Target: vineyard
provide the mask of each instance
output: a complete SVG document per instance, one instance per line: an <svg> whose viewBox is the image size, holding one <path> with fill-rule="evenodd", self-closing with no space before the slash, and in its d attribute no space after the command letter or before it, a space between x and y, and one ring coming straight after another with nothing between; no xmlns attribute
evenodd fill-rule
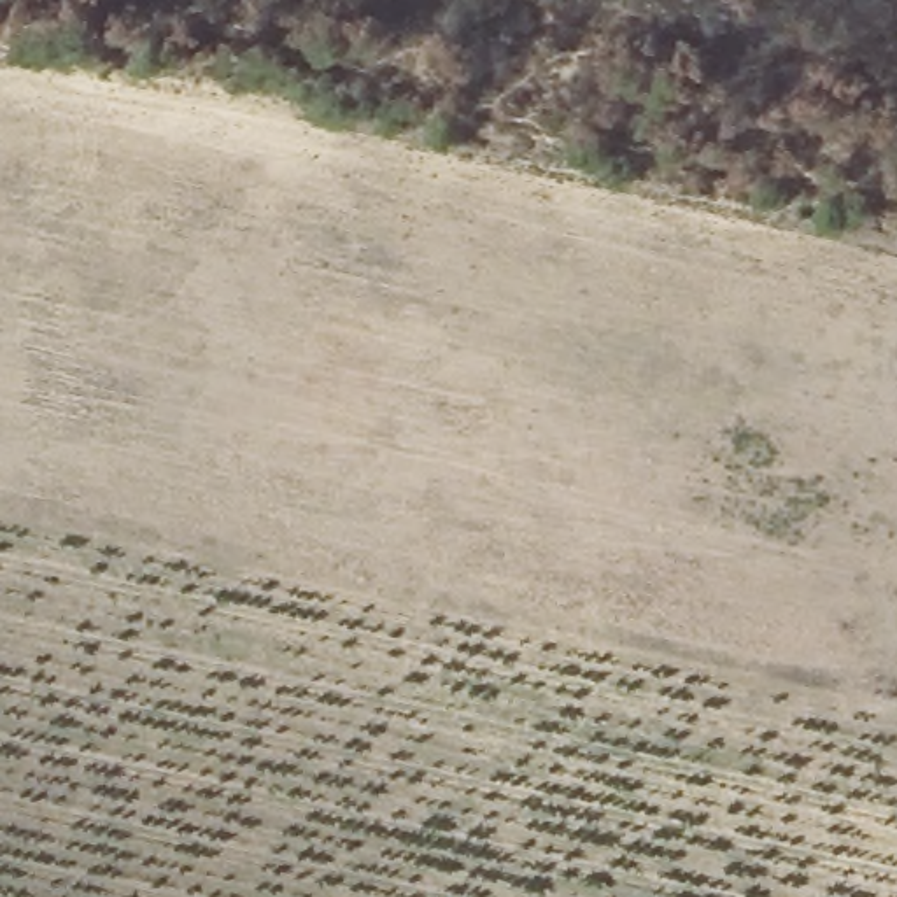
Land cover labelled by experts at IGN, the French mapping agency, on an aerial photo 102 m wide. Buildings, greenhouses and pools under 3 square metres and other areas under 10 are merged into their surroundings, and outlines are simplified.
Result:
<svg viewBox="0 0 897 897"><path fill-rule="evenodd" d="M389 599L385 610L364 603L357 617L347 617L347 599L340 596L294 589L291 582L277 578L242 578L238 571L259 564L266 550L224 543L217 536L196 540L186 526L165 526L158 533L130 519L98 519L88 508L63 508L42 498L0 494L0 897L897 897L897 676L872 669L872 694L858 690L844 697L837 690L837 676L820 669L732 659L722 652L683 645L669 648L669 666L631 662L613 652L589 652L564 641L540 641L533 634L522 634L522 641L512 652L487 648L491 638L501 638L501 631L512 620L508 610L487 599L452 599L438 592L431 606L417 599Z"/></svg>

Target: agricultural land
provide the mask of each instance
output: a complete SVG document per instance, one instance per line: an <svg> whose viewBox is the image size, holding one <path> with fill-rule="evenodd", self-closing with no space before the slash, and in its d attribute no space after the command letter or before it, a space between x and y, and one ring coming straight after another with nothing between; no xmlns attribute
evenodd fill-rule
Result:
<svg viewBox="0 0 897 897"><path fill-rule="evenodd" d="M0 67L0 494L42 498L63 508L88 508L98 519L130 519L158 533L165 526L186 526L196 540L217 536L224 543L266 550L259 564L238 571L242 578L277 578L291 582L294 589L340 596L347 599L347 617L357 617L364 603L385 610L389 599L417 599L431 606L438 592L452 599L487 599L508 610L512 620L501 631L501 638L491 638L487 648L512 652L522 641L522 634L533 634L540 641L564 641L589 652L613 652L631 662L669 666L669 648L683 645L722 652L732 659L820 669L837 676L837 690L844 697L858 690L872 694L872 669L897 676L897 259L862 252L844 235L827 238L809 231L785 231L757 221L655 203L634 196L631 189L617 193L582 182L540 179L501 165L484 165L477 158L463 161L456 151L417 151L406 147L399 137L389 140L368 130L322 130L305 123L301 109L284 98L228 95L217 81L200 84L175 74L158 77L126 81L116 70L109 81L102 81L88 70L60 74Z"/></svg>

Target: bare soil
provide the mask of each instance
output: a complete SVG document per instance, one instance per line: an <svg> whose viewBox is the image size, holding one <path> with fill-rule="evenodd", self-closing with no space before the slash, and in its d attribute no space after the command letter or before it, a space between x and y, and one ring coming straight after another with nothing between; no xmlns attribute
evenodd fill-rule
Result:
<svg viewBox="0 0 897 897"><path fill-rule="evenodd" d="M893 98L897 123L897 0L750 0L750 21L725 25L725 32L711 35L711 46L729 49L750 77L764 81L764 98L771 98L774 105L788 102L806 67L827 67L841 81L858 81L869 102L876 105L883 98Z"/></svg>
<svg viewBox="0 0 897 897"><path fill-rule="evenodd" d="M91 32L105 32L116 18L133 39L151 46L147 67L158 77L175 74L182 63L203 53L217 53L221 46L238 56L249 49L263 49L270 63L280 63L305 77L312 63L287 46L287 35L301 32L301 25L312 18L336 18L368 21L371 42L392 42L396 49L424 35L445 42L466 74L459 98L484 102L526 70L536 39L550 39L557 53L578 49L589 39L589 21L603 14L603 4L610 0L0 0L0 21L49 21L56 18L60 4L67 4Z"/></svg>

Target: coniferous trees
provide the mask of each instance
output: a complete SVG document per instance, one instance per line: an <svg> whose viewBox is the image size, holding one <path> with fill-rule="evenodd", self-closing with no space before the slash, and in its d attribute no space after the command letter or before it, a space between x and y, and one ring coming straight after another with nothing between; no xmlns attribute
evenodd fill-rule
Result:
<svg viewBox="0 0 897 897"><path fill-rule="evenodd" d="M589 21L589 39L578 49L557 53L550 39L536 39L526 70L484 102L459 98L466 74L445 42L424 35L396 49L392 42L371 42L368 21L336 18L312 18L301 25L301 32L287 35L287 46L312 63L305 77L280 63L270 63L263 49L249 49L238 56L221 46L217 53L203 53L182 63L175 74L200 84L217 81L228 95L284 98L301 109L305 123L322 130L368 130L389 140L399 137L406 147L417 151L456 151L463 161L477 158L484 165L501 165L540 179L582 182L617 193L631 189L634 196L655 203L757 221L785 231L809 231L827 238L844 235L862 252L897 259L897 123L893 98L883 98L876 105L869 102L858 81L841 81L827 67L806 67L788 102L774 105L771 98L764 98L764 81L750 77L729 49L711 46L711 35L725 32L725 25L750 21L750 0L610 0L603 4L603 14Z"/></svg>
<svg viewBox="0 0 897 897"><path fill-rule="evenodd" d="M147 67L151 46L133 39L116 18L105 32L91 32L67 4L60 4L56 18L49 21L0 21L0 67L60 74L88 70L102 81L109 81L116 70L126 81L158 77Z"/></svg>

